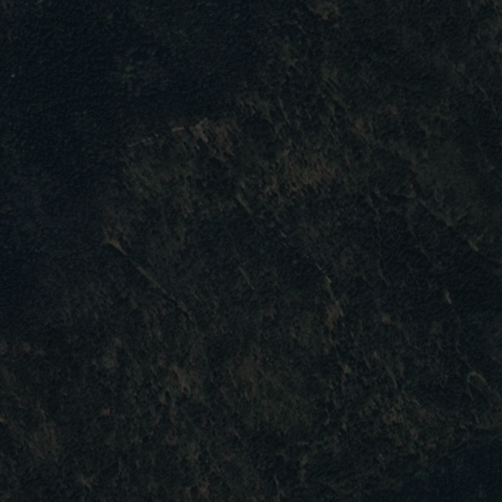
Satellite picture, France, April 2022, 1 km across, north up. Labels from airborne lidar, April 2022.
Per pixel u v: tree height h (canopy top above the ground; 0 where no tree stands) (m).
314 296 29
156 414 19
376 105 22
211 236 32
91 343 20
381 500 26
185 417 30
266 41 25
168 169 22
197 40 28
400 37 22
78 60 32
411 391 25
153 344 29
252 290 28
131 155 13
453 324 31
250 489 29
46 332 22
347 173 30
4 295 23
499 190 21
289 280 36
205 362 22
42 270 23
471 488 21
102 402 25
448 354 8
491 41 20
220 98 29
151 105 32
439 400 30
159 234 34
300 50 21
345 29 29
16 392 28
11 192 32
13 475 28
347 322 26
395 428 19
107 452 23
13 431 28
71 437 24
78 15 34
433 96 19
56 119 27
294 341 33
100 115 35
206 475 25
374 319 25
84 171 20
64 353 25
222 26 24
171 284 31
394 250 32
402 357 24
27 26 32
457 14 23
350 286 31
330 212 35
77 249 25
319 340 35
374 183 23
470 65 20
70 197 25
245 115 26
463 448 23
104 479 29
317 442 21
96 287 25
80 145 29
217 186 36
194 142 16
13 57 28
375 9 26
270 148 30
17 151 33
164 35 33
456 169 25
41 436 27
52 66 29
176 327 29
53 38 33
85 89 33
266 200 34
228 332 29
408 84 22
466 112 20
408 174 30
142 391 24
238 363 24
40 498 34
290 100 41
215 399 22
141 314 27
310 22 27
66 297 23
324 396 30
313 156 25
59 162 29
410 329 29
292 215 34
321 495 32
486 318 19
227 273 29
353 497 23
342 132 38
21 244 18
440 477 21
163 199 30
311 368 28
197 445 25
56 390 28
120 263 10
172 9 23
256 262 32
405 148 22
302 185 33
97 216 26
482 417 13
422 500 23
